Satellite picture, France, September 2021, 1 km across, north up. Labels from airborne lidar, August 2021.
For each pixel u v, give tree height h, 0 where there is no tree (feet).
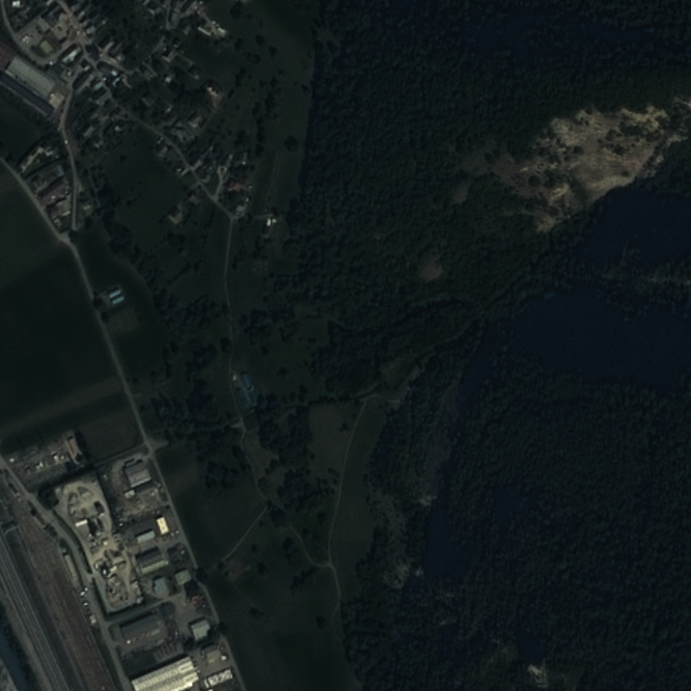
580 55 87
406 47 77
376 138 44
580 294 52
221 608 0
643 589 54
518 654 29
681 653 55
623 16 62
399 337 61
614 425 39
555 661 49
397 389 0
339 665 0
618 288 56
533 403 24
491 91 56
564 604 40
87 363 0
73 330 0
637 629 66
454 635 43
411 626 37
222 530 0
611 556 33
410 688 44
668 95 41
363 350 70
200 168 28
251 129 0
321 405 33
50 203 0
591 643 36
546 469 31
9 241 0
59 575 0
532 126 52
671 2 33
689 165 42
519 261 54
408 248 34
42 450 0
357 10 55
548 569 40
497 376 44
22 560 0
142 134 0
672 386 74
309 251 41
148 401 0
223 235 0
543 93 50
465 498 42
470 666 25
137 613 0
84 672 0
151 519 0
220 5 0
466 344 36
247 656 0
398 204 29
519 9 71
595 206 39
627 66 99
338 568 0
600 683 39
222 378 0
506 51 68
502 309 28
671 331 48
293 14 0
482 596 37
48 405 0
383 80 46
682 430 60
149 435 0
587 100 43
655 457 59
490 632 36
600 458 39
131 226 0
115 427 0
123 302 0
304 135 0
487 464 31
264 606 0
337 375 49
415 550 39
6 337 0
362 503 0
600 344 71
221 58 0
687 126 29
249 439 0
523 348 40
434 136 41
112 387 0
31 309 0
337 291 59
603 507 38
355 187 43
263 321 52
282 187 0
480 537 28
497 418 32
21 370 0
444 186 50
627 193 59
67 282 0
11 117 0
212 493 38
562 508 52
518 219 34
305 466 43
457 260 44
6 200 0
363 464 0
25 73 0
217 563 0
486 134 24
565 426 34
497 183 25
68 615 0
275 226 0
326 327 0
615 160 0
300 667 0
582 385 31
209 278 0
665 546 42
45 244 0
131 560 0
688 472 52
